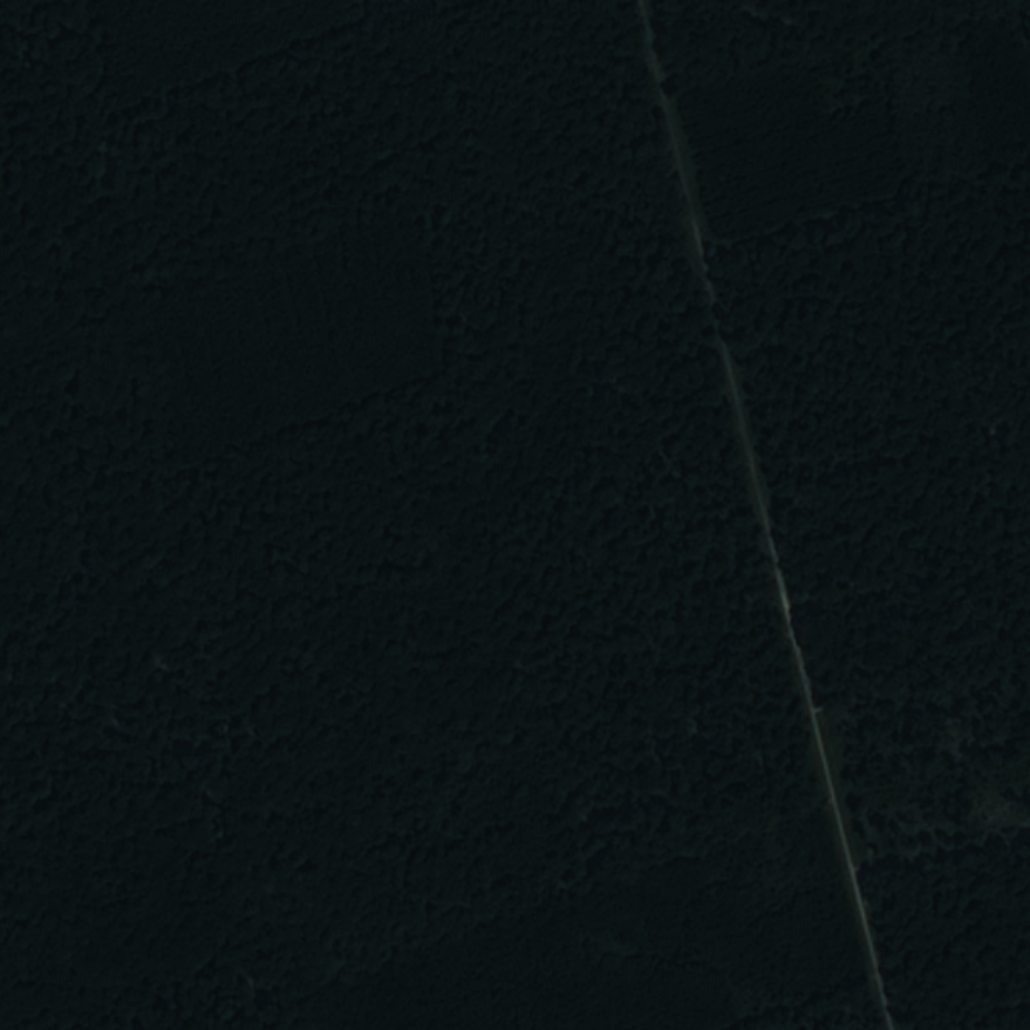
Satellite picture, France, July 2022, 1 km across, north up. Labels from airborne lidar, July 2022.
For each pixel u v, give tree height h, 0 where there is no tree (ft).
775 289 74
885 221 93
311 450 83
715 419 88
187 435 54
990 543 77
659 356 82
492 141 71
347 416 77
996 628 86
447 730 82
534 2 54
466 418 59
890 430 79
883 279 83
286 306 59
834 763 0
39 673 79
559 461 83
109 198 97
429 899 37
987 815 26
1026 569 84
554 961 59
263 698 90
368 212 72
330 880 85
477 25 76
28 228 70
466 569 86
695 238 0
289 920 82
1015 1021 81
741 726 89
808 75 22
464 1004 46
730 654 74
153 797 88
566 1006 43
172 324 63
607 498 85
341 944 73
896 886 84
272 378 52
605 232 74
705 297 67
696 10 76
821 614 79
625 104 90
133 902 85
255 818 88
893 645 93
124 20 51
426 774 81
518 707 78
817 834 21
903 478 83
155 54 48
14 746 88
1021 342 76
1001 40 23
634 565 68
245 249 83
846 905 19
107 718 88
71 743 66
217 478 77
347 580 73
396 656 91
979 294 67
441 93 74
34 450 84
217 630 80
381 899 79
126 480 88
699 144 24
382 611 94
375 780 47
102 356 90
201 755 79
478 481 75
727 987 29
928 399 80
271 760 95
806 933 42
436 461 80
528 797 60
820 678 74
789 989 19
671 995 47
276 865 94
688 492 63
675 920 32
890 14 77
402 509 83
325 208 91
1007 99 30
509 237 79
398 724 83
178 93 67
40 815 91
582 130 86
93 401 79
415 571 85
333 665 76
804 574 92
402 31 75
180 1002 80
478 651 88
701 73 58
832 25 73
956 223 76
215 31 43
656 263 91
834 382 79
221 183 94
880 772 24
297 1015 82
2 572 87
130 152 81
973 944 76
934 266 80
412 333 47
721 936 41
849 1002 78
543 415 69
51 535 86
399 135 69
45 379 90
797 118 28
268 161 88
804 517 85
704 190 23
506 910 63
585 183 77
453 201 72
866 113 25
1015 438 68
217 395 47
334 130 38
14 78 79
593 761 72
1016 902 74
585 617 82
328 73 90
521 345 80
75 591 72
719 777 83
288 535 84
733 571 68
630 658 80
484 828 43
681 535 57
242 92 78
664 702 75
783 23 83
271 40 47
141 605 90
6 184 93
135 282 84
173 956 93
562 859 68
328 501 91
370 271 65
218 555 90
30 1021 86
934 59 71
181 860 85
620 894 52
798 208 18
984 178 70
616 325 86
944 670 86
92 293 69
